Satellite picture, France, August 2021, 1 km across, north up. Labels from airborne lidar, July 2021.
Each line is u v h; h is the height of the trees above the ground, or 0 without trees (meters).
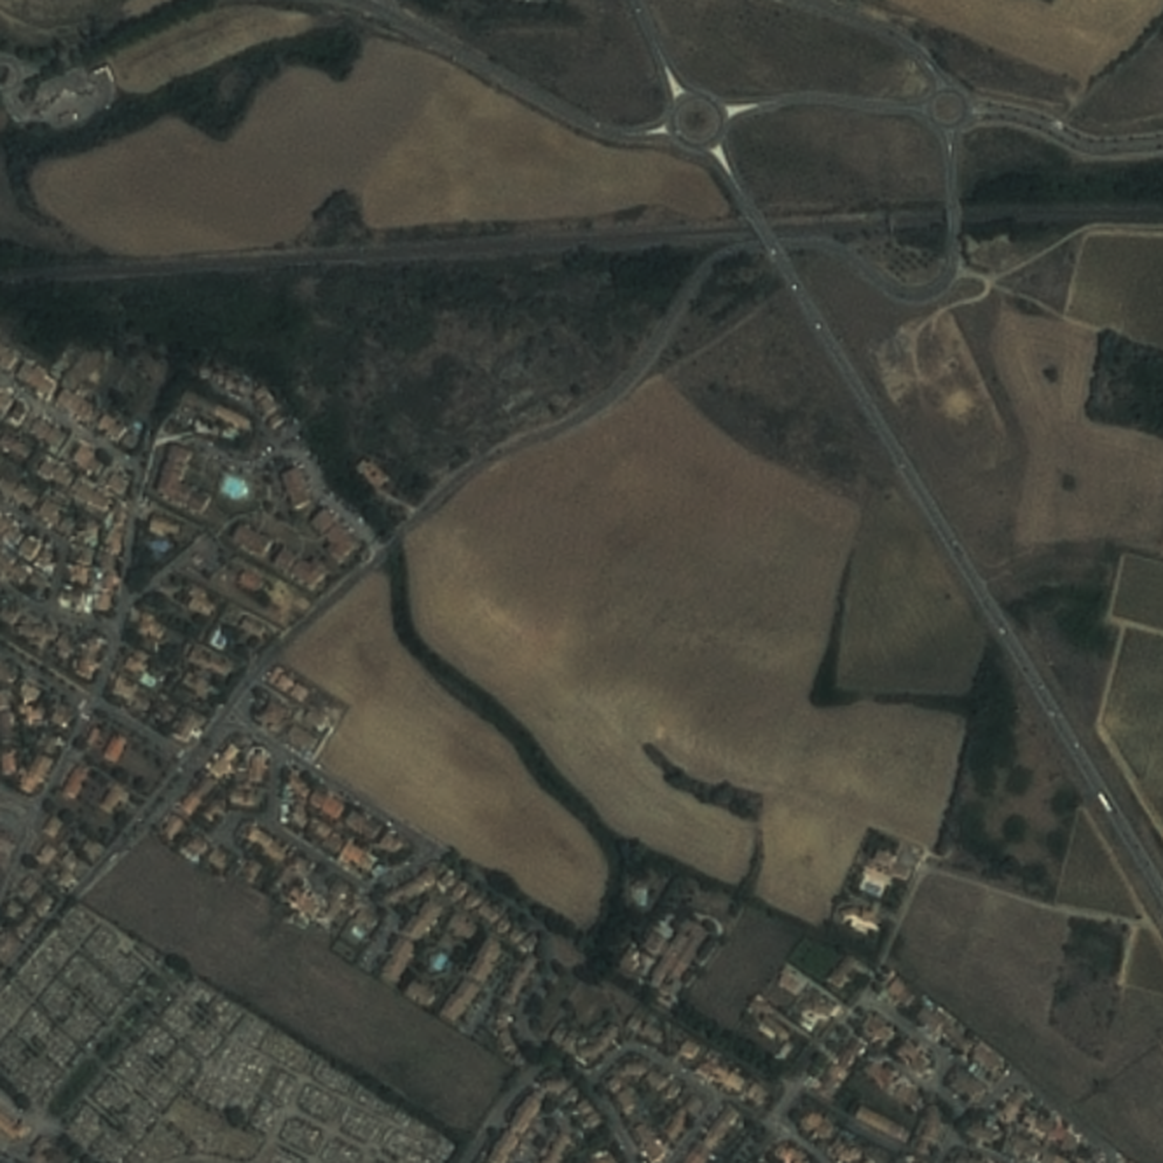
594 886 0
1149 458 0
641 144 0
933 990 0
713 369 0
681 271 16
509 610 0
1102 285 0
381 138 0
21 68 0
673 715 0
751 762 0
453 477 0
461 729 0
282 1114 0
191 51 0
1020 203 7
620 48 0
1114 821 0
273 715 0
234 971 0
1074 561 0
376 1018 0
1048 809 0
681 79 0
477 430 0
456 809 0
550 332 6
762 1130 8
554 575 0
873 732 0
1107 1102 0
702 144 0
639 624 0
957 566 0
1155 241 0
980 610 0
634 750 0
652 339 0
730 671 0
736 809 6
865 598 0
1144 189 9
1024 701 0
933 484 0
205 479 0
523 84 0
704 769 0
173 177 0
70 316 8
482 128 0
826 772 0
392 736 0
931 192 0
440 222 0
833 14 0
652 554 0
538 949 8
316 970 0
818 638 0
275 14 0
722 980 0
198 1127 0
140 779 8
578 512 0
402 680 0
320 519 0
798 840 0
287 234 0
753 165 0
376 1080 7
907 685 0
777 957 0
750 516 0
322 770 0
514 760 0
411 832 0
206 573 6
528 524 0
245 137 0
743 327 0
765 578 0
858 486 0
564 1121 0
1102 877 0
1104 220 0
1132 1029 0
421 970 8
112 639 0
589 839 0
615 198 0
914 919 0
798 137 0
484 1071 0
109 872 0
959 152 0
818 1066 9
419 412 0
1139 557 0
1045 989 0
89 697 0
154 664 6
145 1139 0
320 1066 0
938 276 0
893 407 0
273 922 0
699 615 0
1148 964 0
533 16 0
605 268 6
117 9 0
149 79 0
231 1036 0
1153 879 0
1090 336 0
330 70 7
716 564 0
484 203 0
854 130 0
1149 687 0
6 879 0
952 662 0
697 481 0
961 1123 10
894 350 0
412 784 0
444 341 0
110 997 0
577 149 0
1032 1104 6
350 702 0
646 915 6
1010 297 0
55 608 0
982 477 0
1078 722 0
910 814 0
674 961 0
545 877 0
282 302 6
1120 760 0
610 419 0
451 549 0
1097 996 0
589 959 7
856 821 0
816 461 0
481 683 0
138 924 0
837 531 0
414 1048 0
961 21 0
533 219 0
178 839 6
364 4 0
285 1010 0
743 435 0
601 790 0
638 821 0
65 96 0
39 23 0
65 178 0
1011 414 0
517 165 0
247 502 0
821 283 0
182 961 10
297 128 0
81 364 0
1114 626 0
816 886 0
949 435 0
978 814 0
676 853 0
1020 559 0
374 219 0
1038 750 0
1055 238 0
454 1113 0
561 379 0
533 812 0
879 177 0
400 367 0
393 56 0
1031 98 0
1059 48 0
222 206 0
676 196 0
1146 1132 0
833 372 0
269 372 9
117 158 0
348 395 7
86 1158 9
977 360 0
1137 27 0
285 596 0
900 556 0
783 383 0
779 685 0
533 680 0
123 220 0
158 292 6
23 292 9
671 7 0
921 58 0
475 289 6
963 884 0
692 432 0
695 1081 0
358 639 0
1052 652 0
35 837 0
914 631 0
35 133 12
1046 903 0
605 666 0
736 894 6
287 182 0
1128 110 0
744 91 0
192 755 0
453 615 0
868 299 0
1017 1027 0
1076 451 0
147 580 10
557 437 0
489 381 0
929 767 0
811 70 0
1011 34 0
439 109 0
